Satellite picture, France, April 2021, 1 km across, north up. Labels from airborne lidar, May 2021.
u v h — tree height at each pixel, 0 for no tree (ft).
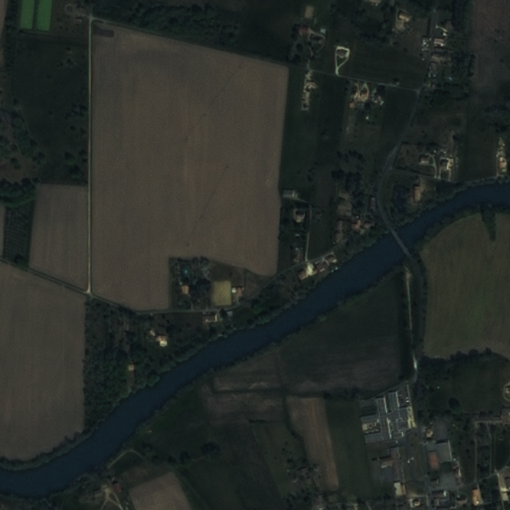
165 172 0
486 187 0
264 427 0
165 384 0
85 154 37
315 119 0
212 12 55
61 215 0
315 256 0
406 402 0
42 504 40
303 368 0
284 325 0
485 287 0
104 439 0
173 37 0
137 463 0
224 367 41
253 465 0
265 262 0
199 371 0
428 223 0
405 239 0
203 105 0
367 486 0
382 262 0
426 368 81
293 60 39
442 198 59
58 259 0
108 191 0
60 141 0
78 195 0
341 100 0
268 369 0
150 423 27
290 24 0
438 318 0
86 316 21
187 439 0
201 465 0
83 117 50
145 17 24
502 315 0
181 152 0
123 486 0
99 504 0
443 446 0
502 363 0
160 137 0
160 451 0
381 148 0
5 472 0
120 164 0
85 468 0
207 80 0
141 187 0
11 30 43
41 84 0
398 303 0
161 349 0
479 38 0
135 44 0
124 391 80
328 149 0
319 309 0
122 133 0
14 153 40
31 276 0
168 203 0
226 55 0
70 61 31
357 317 0
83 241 0
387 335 0
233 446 0
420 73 0
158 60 0
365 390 0
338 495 0
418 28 0
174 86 0
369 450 0
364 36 23
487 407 0
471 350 0
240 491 0
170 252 0
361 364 0
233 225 0
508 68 0
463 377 0
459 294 0
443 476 0
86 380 29
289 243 0
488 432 41
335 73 0
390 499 59
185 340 30
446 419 38
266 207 0
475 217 0
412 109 0
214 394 0
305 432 0
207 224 0
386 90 45
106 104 0
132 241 0
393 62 0
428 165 0
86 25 0
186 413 0
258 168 0
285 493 0
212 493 0
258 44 0
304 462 22
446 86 20
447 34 21
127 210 0
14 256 45
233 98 0
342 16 23
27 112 0
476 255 0
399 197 0
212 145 0
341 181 48
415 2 49
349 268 0
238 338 0
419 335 0
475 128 0
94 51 0
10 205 52
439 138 0
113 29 0
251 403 0
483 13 0
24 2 0
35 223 0
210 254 0
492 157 0
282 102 0
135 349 50
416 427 0
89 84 0
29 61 0
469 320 0
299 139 0
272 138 0
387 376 0
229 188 0
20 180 0
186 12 26
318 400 0
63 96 0
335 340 0
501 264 0
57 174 0
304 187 0
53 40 0
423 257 0
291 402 0
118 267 0
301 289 23
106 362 72
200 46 0
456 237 0
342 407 0
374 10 0
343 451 0
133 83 0
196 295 59
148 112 0
